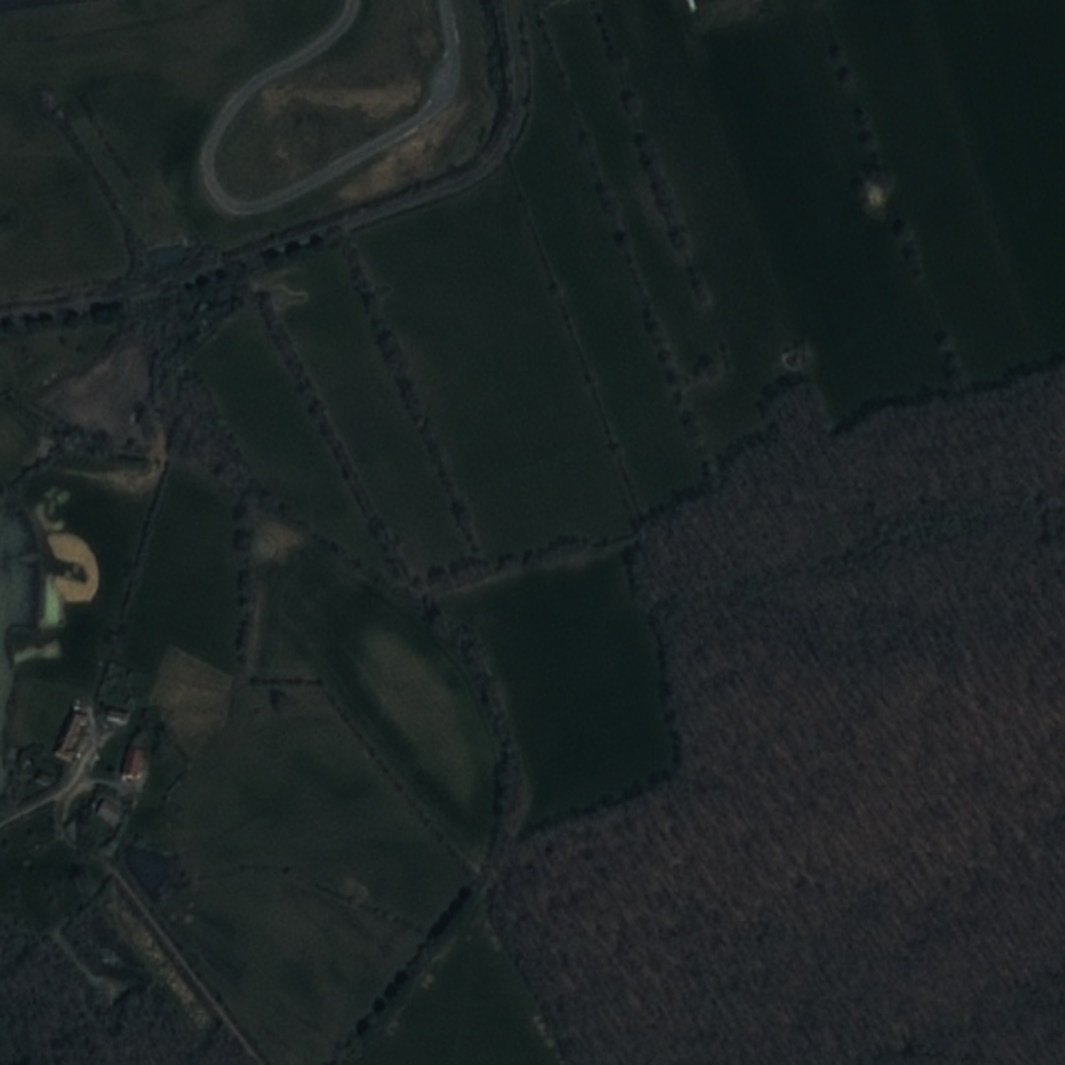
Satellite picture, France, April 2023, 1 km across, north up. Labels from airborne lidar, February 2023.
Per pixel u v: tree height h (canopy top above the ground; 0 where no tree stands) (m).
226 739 0
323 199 0
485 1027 0
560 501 0
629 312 0
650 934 17
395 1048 0
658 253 0
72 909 0
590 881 16
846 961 23
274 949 0
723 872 21
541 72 0
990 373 0
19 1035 26
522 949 20
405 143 0
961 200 0
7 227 0
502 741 16
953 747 20
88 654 0
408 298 0
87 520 0
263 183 0
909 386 0
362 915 0
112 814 0
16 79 0
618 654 0
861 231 0
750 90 0
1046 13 0
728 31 0
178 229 0
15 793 6
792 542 26
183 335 11
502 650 0
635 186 0
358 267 12
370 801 0
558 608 0
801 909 19
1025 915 29
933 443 25
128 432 0
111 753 0
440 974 0
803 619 27
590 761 0
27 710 0
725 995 22
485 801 0
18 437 0
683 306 0
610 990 23
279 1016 0
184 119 0
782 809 25
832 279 0
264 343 0
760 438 0
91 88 0
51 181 0
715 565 24
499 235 0
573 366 0
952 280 0
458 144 0
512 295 0
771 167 0
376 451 0
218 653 0
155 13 0
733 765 20
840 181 0
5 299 0
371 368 0
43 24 0
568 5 0
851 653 23
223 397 0
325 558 0
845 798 23
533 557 11
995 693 23
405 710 0
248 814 0
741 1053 24
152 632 0
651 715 0
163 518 0
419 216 0
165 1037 21
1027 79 0
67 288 0
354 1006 0
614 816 21
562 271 0
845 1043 28
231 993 0
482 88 0
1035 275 0
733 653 24
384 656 0
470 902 16
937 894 22
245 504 13
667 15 0
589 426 0
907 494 24
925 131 0
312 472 0
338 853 0
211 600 0
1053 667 22
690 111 0
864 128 12
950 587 26
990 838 19
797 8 0
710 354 0
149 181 0
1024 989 24
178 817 0
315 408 10
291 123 0
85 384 0
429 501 0
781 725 22
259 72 0
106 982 0
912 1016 26
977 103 0
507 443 0
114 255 0
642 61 0
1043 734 22
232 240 0
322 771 0
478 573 18
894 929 25
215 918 0
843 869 21
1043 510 21
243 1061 19
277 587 0
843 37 0
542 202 0
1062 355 0
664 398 0
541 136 0
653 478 0
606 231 0
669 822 19
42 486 0
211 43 0
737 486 27
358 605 0
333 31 0
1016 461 26
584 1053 23
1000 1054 25
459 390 0
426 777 0
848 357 0
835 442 15
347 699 0
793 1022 25
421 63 0
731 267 0
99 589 0
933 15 0
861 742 21
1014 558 23
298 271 0
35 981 23
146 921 13
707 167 0
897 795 25
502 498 0
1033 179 0
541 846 18
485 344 0
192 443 19
